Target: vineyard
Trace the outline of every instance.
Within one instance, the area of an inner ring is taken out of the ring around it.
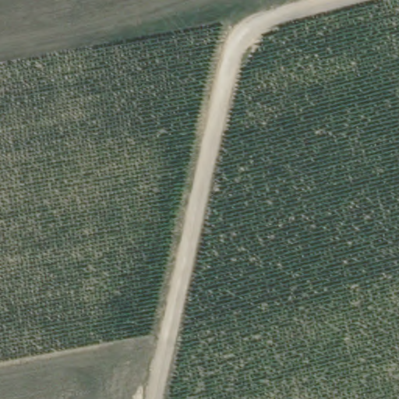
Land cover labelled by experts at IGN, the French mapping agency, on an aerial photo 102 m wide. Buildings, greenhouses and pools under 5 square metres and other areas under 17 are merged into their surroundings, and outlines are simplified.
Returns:
[[[223,0],[221,0],[195,6],[190,12],[178,12],[153,22],[128,26],[120,33],[87,34],[79,37],[76,44],[50,48],[42,55],[11,53],[9,58],[0,58],[0,362],[61,349],[89,346],[103,341],[150,335],[156,324],[157,307],[165,307],[184,229],[185,209],[189,206],[195,178],[201,137],[209,117],[215,73],[223,58],[226,37],[234,26],[228,19],[235,11]]]
[[[273,30],[262,34],[262,41],[257,44],[256,51],[246,48],[243,53],[234,100],[229,109],[228,128],[224,129],[221,137],[214,175],[210,179],[209,198],[204,210],[192,277],[185,295],[181,329],[176,341],[176,357],[171,360],[164,399],[399,399],[399,0],[366,0],[279,23]]]

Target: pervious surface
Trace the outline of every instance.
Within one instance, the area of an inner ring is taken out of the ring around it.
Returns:
[[[192,277],[204,210],[209,198],[210,179],[214,175],[221,137],[224,129],[228,128],[229,109],[234,100],[243,53],[246,48],[256,51],[257,44],[262,41],[262,34],[273,30],[279,23],[366,0],[288,0],[285,5],[277,6],[270,11],[251,14],[234,26],[226,37],[223,58],[215,73],[209,117],[201,137],[195,178],[189,206],[185,209],[184,229],[165,307],[156,354],[151,362],[150,382],[137,388],[134,399],[164,399],[171,360],[176,357],[176,341],[181,329],[185,295]]]

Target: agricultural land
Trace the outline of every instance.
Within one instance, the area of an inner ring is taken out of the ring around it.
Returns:
[[[285,5],[288,0],[223,0],[235,11],[228,19],[234,26],[251,14],[270,11],[277,6]]]
[[[89,346],[61,349],[0,362],[0,399],[134,399],[137,388],[150,382],[151,362],[156,354],[165,307],[157,307],[156,324],[150,335],[103,341]]]
[[[9,58],[11,53],[42,55],[50,48],[76,44],[79,37],[87,34],[120,33],[128,26],[153,22],[178,12],[190,12],[195,6],[221,0],[0,0],[0,58]]]

